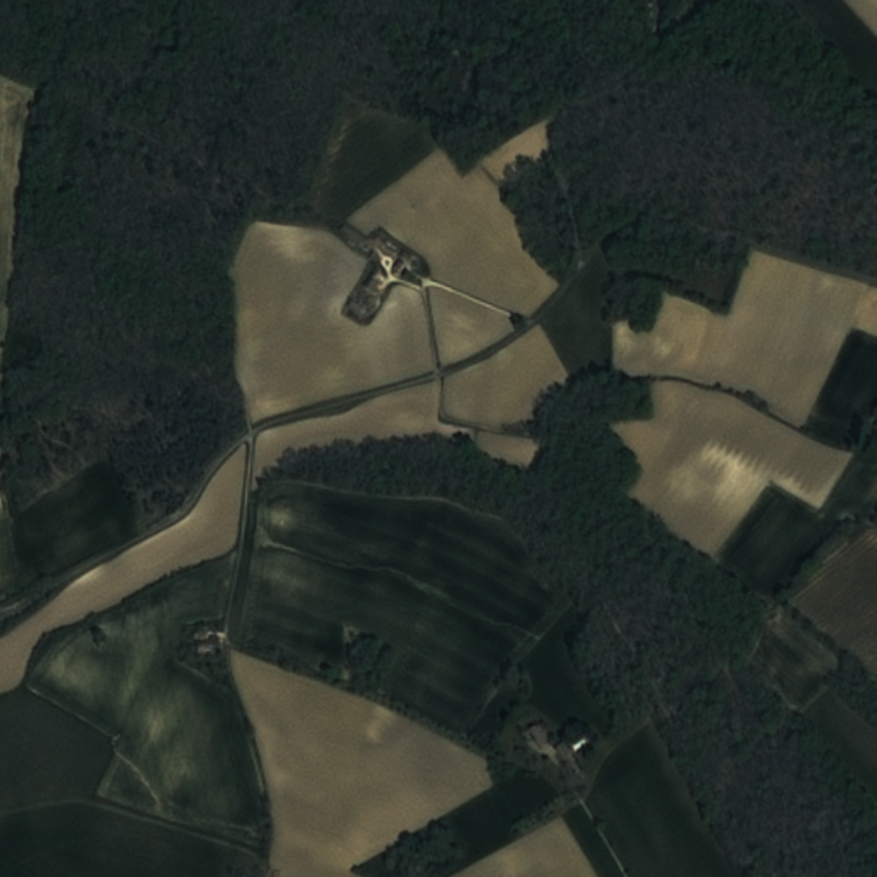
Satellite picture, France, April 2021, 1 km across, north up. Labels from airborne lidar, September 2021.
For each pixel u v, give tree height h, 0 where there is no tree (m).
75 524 0
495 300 0
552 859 0
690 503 0
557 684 0
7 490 15
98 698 0
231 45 20
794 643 0
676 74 17
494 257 0
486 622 0
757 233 18
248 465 0
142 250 22
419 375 0
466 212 0
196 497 0
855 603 0
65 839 0
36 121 8
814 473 0
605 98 18
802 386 0
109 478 0
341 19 16
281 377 0
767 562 0
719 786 20
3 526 0
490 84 17
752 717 15
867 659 0
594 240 21
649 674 14
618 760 0
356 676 9
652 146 14
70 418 17
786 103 21
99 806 0
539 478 22
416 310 0
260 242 0
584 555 23
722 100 15
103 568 0
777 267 0
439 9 21
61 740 0
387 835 0
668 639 20
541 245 20
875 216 15
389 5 20
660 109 20
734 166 19
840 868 20
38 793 0
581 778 16
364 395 0
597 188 14
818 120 17
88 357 18
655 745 0
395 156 0
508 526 10
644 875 0
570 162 20
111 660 0
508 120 15
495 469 23
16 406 15
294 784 0
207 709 0
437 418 0
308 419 0
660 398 0
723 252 9
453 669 0
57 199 22
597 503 24
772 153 16
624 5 22
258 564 0
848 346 0
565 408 19
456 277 0
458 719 0
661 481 0
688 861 0
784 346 0
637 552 27
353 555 0
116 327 19
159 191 13
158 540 0
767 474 0
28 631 0
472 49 21
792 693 0
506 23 23
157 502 10
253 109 19
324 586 0
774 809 16
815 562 16
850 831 17
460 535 0
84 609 0
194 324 23
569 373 0
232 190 17
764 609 19
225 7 21
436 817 0
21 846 0
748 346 0
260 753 0
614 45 25
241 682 0
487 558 0
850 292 0
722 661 23
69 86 22
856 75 0
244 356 0
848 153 15
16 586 0
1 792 0
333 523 0
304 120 18
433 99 0
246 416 17
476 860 0
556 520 23
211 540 0
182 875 0
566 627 0
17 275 9
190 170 17
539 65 22
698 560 24
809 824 18
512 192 18
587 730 10
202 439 8
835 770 19
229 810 0
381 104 16
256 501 0
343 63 17
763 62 26
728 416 0
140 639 0
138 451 15
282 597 0
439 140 14
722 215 16
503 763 10
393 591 0
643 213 14
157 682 0
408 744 0
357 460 22
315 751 0
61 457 13
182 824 0
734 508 0
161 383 16
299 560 0
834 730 0
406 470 23
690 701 18
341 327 0
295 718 0
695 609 23
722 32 23
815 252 18
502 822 0
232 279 14
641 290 25
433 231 0
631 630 10
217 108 18
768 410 9
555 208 12
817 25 0
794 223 12
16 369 6
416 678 0
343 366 0
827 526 0
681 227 18
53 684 0
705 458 0
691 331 0
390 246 0
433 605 0
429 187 0
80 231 23
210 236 21
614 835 0
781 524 0
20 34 23
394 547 0
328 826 0
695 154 13
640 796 0
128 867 0
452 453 23
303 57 19
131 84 22
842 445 0
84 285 20
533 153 0
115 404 18
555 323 0
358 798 0
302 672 12
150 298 25
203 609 0
